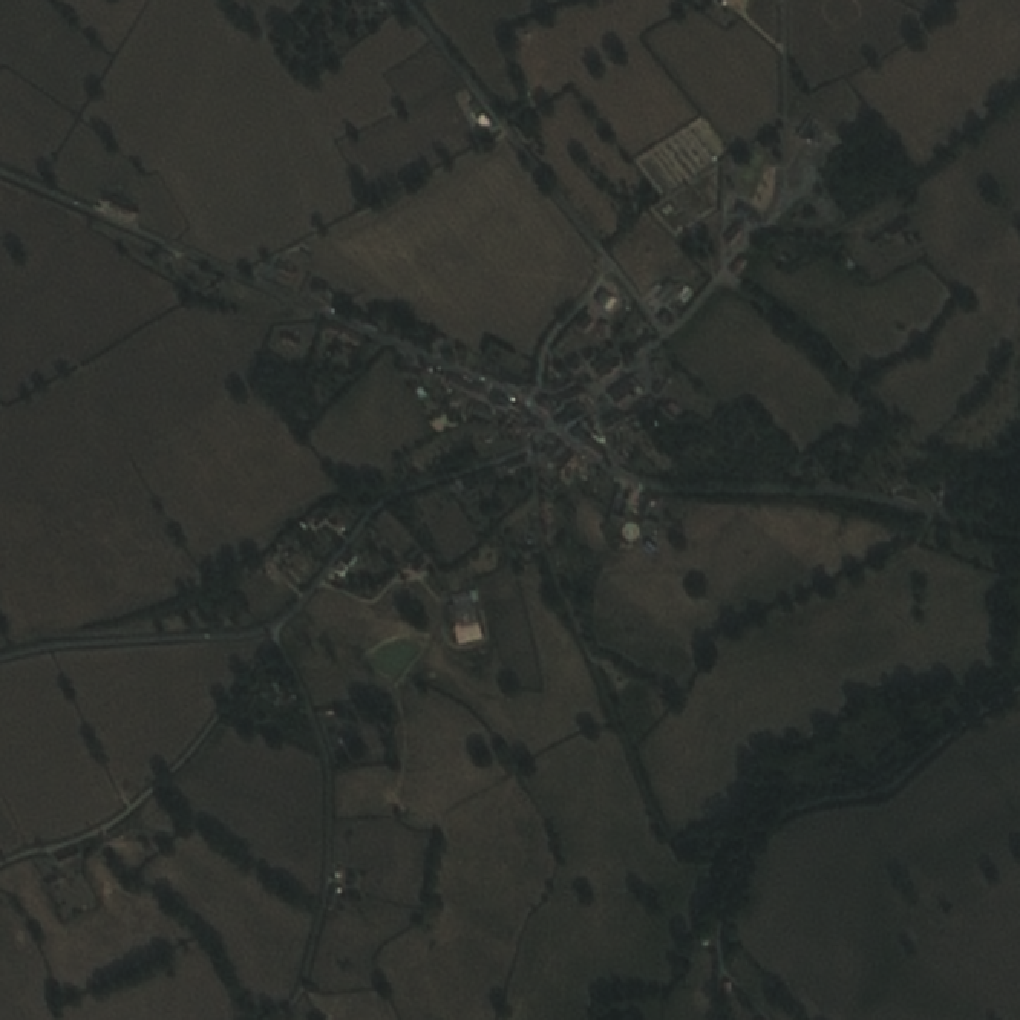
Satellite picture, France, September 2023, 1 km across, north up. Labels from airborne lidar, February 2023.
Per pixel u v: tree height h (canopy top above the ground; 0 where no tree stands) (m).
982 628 0
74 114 0
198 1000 0
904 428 8
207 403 0
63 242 0
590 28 0
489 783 0
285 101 0
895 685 13
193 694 0
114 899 0
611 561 0
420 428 0
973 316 0
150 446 0
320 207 0
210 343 0
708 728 0
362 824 0
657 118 0
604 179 11
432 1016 0
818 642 0
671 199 0
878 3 0
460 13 0
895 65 0
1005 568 17
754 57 0
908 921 0
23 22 0
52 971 0
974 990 0
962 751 0
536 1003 0
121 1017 0
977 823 0
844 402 0
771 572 0
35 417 0
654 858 0
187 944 15
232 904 0
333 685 0
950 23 0
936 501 0
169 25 0
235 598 14
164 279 0
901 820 0
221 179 0
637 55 0
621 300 0
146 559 0
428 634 0
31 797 0
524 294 0
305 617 0
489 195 0
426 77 0
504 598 0
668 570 0
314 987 6
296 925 0
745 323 0
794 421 0
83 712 0
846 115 0
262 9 0
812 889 0
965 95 0
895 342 0
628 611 0
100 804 0
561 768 0
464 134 0
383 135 0
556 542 8
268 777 0
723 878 13
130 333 0
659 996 9
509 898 0
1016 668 0
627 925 0
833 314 0
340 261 0
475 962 0
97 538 0
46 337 0
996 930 0
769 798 17
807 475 7
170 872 0
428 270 0
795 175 0
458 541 0
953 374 0
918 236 8
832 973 0
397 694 0
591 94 0
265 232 0
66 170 0
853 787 6
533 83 0
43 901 0
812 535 0
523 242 0
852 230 0
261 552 14
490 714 0
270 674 9
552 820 0
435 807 0
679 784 0
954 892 0
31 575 0
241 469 0
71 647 0
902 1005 0
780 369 0
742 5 0
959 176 0
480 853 0
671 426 6
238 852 19
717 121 0
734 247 0
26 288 0
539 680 0
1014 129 0
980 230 0
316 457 0
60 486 0
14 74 0
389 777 0
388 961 0
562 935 0
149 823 0
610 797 0
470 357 0
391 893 0
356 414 0
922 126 0
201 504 0
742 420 7
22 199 0
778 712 0
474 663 0
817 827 0
